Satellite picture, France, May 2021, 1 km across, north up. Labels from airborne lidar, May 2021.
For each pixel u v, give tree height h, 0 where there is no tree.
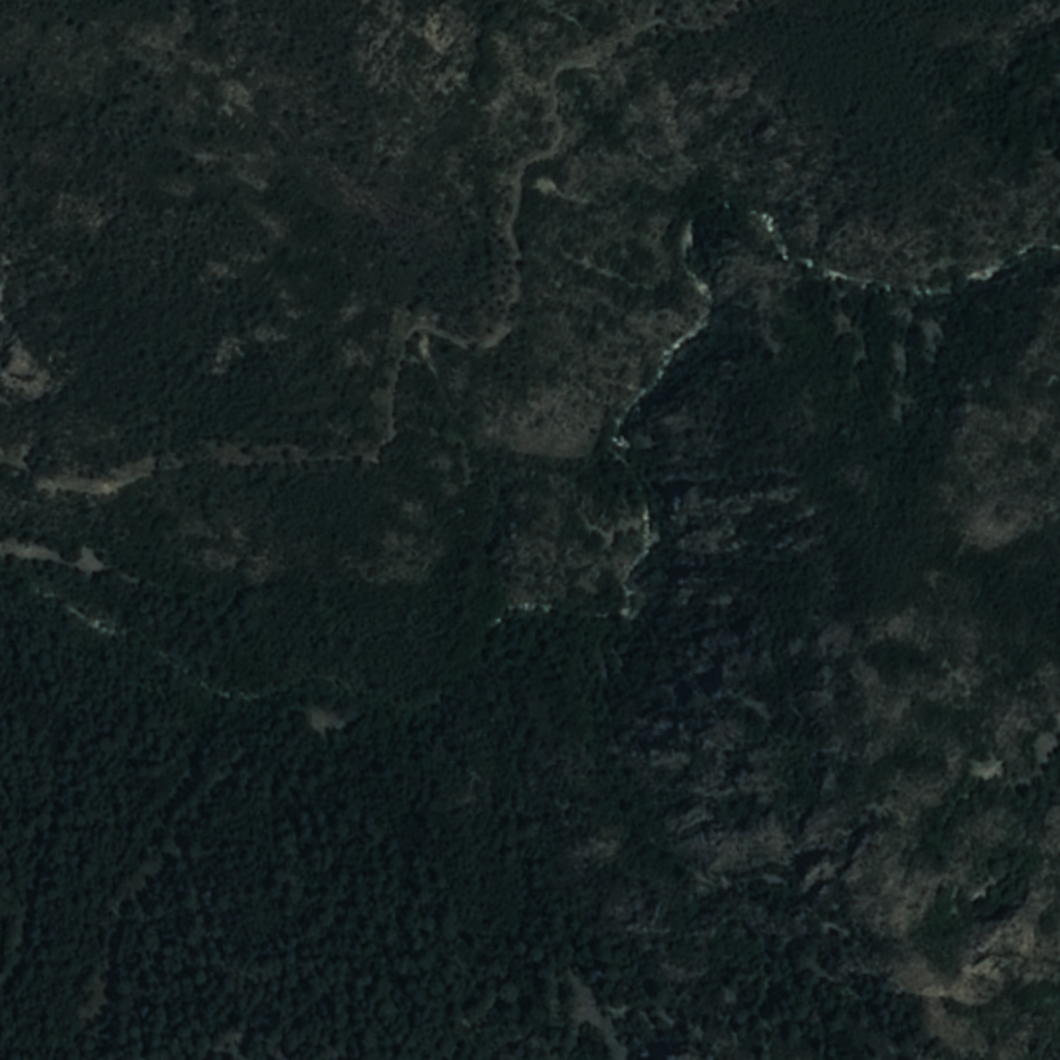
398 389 8
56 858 32
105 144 10
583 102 7
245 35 21
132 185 15
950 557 10
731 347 9
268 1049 21
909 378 10
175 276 19
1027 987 10
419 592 12
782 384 7
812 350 13
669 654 8
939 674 6
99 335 11
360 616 23
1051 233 12
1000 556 9
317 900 21
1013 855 11
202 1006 11
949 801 11
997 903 13
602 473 11
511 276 19
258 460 20
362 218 13
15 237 18
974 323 8
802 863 6
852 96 14
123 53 6
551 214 6
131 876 16
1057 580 19
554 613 7
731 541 7
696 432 9
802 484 8
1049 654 11
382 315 10
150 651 21
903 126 16
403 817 8
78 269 19
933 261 16
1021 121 23
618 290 7
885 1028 14
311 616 22
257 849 14
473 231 23
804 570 6
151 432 22
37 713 10
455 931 31
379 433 12
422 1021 26
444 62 6
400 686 16
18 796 24
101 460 21
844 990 10
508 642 17
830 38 20
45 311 15
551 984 35
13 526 13
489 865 10
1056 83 7
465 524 15
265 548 9
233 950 21
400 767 7
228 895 13
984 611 6
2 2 13
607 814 7
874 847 6
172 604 29
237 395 16
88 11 14
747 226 11
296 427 13
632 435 23
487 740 7
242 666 23
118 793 32
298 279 6
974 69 22
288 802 14
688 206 18
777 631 6
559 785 7
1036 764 8
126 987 31
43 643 37
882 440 9
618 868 10
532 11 6
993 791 10
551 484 7
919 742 6
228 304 15
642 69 14
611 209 8
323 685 18
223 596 16
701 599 13
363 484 19
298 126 18
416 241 22
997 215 10
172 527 8
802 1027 22
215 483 27
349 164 23
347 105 22
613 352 7
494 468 11
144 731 30
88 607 7
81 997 23
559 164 7
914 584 6
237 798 18
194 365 23
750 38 14
